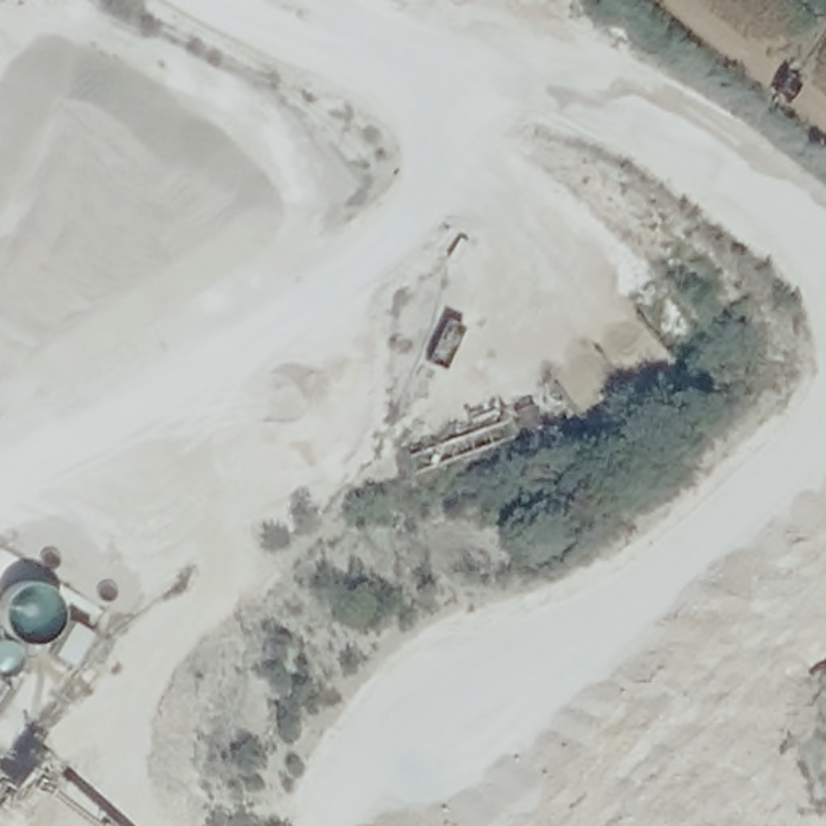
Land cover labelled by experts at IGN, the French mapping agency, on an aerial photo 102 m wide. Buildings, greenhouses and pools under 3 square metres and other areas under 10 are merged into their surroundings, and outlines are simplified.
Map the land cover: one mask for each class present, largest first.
<instances>
[{"label":"pervious surface","instance_id":"1","mask_svg":"<svg viewBox=\"0 0 826 826\"><path fill-rule=\"evenodd\" d=\"M145 10L161 23L174 26L187 39H200L203 45L216 48L226 58H236L239 65L258 71H268L274 65L281 74V87L271 94L252 90L239 77L152 35H142L136 26H126L116 16L103 13L100 0H0V536L16 542L32 561L52 568L58 581V594L71 607L84 610V613H87L90 620H97V623H100V626H103V629H106V632H110V636L116 639V642H100V639H94L84 658L90 665L84 678L94 687V694L71 703L68 713L45 732V745L68 761L65 784H58L55 791H32L29 797H13L0 810V826H207L210 813L203 807L200 771L194 768V739L203 707L213 703L219 690L232 687L236 665H242L245 639L232 613L239 603L265 597V590H271L281 578L294 574V558H300L316 539L339 536L345 523V490L365 481L394 478L400 445L407 452L432 448L436 468L468 465L513 442L519 429H542V419L549 413H587L594 403H600L603 381L616 368H636L642 361H674V355H668L665 345L652 339V332L636 319L629 307V294L649 281V265L645 258L632 255V248L623 239H616L600 219H594L590 210L578 203L561 184L542 174L536 165H529L532 142L516 139L510 126H545L552 132L597 142L623 158H632L639 168L665 181L681 197L697 203L710 223L723 226L755 255L771 258L774 271L800 294L807 323L816 345V374L800 378L794 384L791 407L771 416L765 426H758L749 439H742L732 448V455L713 468V474L697 481L694 487L681 490L678 500L639 513L636 536L616 539L590 565L571 568L558 581L532 584V590L503 594L500 600H490L474 613L452 610L416 623L410 629V636L394 655H384L378 665H365L368 678L342 703L303 716L297 739L284 742L268 755L261 768V791L255 813L265 820H284L287 826H826V184L807 174L794 158H787L755 126L729 113L723 103L678 81L649 55L632 52L629 32L623 26H597L584 13L581 0H145ZM294 490L310 494V503L316 507V526L307 536L294 539L287 549L268 552L261 549V526H294Z\"/></svg>","mask_w":826,"mask_h":826},{"label":"deciduous trees","instance_id":"2","mask_svg":"<svg viewBox=\"0 0 826 826\"><path fill-rule=\"evenodd\" d=\"M103 13L116 16L126 26H136L142 35H152L161 23L145 10V0H100ZM584 13L597 26H623L629 32L632 52L649 55L678 81L723 103L729 113L755 126L787 158H794L807 174L826 184V132L797 113L794 97L774 90V81H755L742 61L713 48L687 23H681L661 0H581ZM768 339L761 323H752L745 313H732L729 307H723L716 319L703 323L697 332H687L674 355V361H642L636 368H616L603 381L600 403H594L587 413H549L542 419V429H519L513 442L468 465L436 468L432 448L407 452L400 445L394 478L365 481L345 490V523L384 526L387 516L403 513V529L416 532L423 519L445 510L448 516L497 526L500 545L507 549V561H478L468 581L503 590L510 578H529L532 584L558 581L571 568L590 565L616 539L636 536L639 513L678 500L681 490L694 487L697 481L700 455L707 452V445L726 436L739 416H745L758 403L752 384L758 365L768 358ZM294 526H261V549L268 552L287 549L294 539L307 536L316 526V507L310 503V494L294 490ZM319 603H329L332 620H339L342 626L361 632L381 626L410 629L416 623V613L403 603L400 587L394 590V597H374L361 587L313 590ZM265 661L255 665V674L268 678L271 684V710L284 742L297 739L303 716L342 703L339 690H329L310 678L307 642L294 636L287 626L261 620ZM268 755L261 752V742L252 732H239L223 749V761L239 765V774L229 778L226 787L261 791V768Z\"/></svg>","mask_w":826,"mask_h":826},{"label":"herbaceous vegetation","instance_id":"3","mask_svg":"<svg viewBox=\"0 0 826 826\"><path fill-rule=\"evenodd\" d=\"M239 77L252 90L271 94L281 87V74L274 65L268 71H258L239 65L236 58H226L216 48L203 45L200 39H187L174 26L161 23L152 35ZM516 139L532 142L529 165H536L542 174L561 184L578 203L590 210L594 219H600L616 239H623L632 248V255L645 258L649 265L661 258V242H678L687 229V219L678 213L681 197L665 181L639 168L632 158H623L597 142L552 132L545 126H510ZM768 358L758 365L752 384L758 403L745 416H739L726 436L707 445V452L700 455L697 481L713 474V468L732 455V448L742 439H749L758 426H765L771 416L791 407L794 384L800 378L816 374V345L807 323L800 329L787 323L768 339ZM403 513L387 516L384 526L345 523L339 536L316 539L300 558H294V574L281 578L271 590H265V597L239 603L232 613L245 639L242 665H236L232 687L219 690L213 703L203 707L194 739V768L200 771L203 807L210 813H255L261 791L226 787L229 778L239 774V765L223 761V749L239 732H252L261 742V752L268 755L284 742L271 710V684L268 678L255 674V665L265 661L261 620L287 626L294 636L307 642L310 678L329 690H339L342 703L368 678L365 665H378L384 655H394L410 636V629L381 626L361 632L342 626L339 620H332L329 603H319L313 590L361 587L374 597H394V590L400 587L403 603L416 613V623L452 610L474 613L490 600H500L503 594L532 590V584L529 578H510L503 590L468 581L478 561H507V549L500 545L497 526L448 516L445 510L423 519L416 532L403 529ZM94 694V687L84 678L68 674L65 687H58L48 707L35 713L32 723L45 732L68 713L71 703Z\"/></svg>","mask_w":826,"mask_h":826},{"label":"brushwood","instance_id":"4","mask_svg":"<svg viewBox=\"0 0 826 826\"><path fill-rule=\"evenodd\" d=\"M678 213L687 219V229L678 242H661V258L649 265V281L629 294V307L636 319L652 332V339L665 345L668 355H674L687 332H697L703 323L716 319L723 307H729L732 313H745L752 323H761L768 339L787 323L800 329L807 323L800 294L774 271L771 258L755 255L723 226L710 223L697 203L681 197ZM207 826H287L284 820H265L255 813H210Z\"/></svg>","mask_w":826,"mask_h":826},{"label":"impervious surface","instance_id":"5","mask_svg":"<svg viewBox=\"0 0 826 826\"><path fill-rule=\"evenodd\" d=\"M0 581L6 587L19 581H58L52 568L32 561L16 542L0 536ZM68 626H71V629H74V626H81V629L94 632V639H100V642H116V639L110 636V632H106V629H103V626H100V623H97V620H90L87 613H84V610L71 607V610H68ZM65 639L32 645L26 671L13 678L16 697L0 716V810L13 797H29L32 791H55L58 784H65L68 761L45 745V732L32 723L35 713L48 707L58 687H65L68 674L84 678L90 665L84 658L68 661L61 655Z\"/></svg>","mask_w":826,"mask_h":826},{"label":"plowed land","instance_id":"6","mask_svg":"<svg viewBox=\"0 0 826 826\"><path fill-rule=\"evenodd\" d=\"M681 23H687L713 48L742 61L755 81H774V90L794 97L797 113L826 132V16H820L800 35L742 39L729 23L710 13L703 0H661Z\"/></svg>","mask_w":826,"mask_h":826},{"label":"building","instance_id":"7","mask_svg":"<svg viewBox=\"0 0 826 826\"><path fill-rule=\"evenodd\" d=\"M68 610H71V607L58 594V581H19L6 587L0 581V716L16 697L13 678L26 671L32 645L65 639L61 655L68 661L84 658L94 639V632L81 629V626H74V629H71V626H68Z\"/></svg>","mask_w":826,"mask_h":826},{"label":"agricultural land","instance_id":"8","mask_svg":"<svg viewBox=\"0 0 826 826\"><path fill-rule=\"evenodd\" d=\"M710 13L729 23L742 39L800 35L820 16H826V0H703Z\"/></svg>","mask_w":826,"mask_h":826}]
</instances>
